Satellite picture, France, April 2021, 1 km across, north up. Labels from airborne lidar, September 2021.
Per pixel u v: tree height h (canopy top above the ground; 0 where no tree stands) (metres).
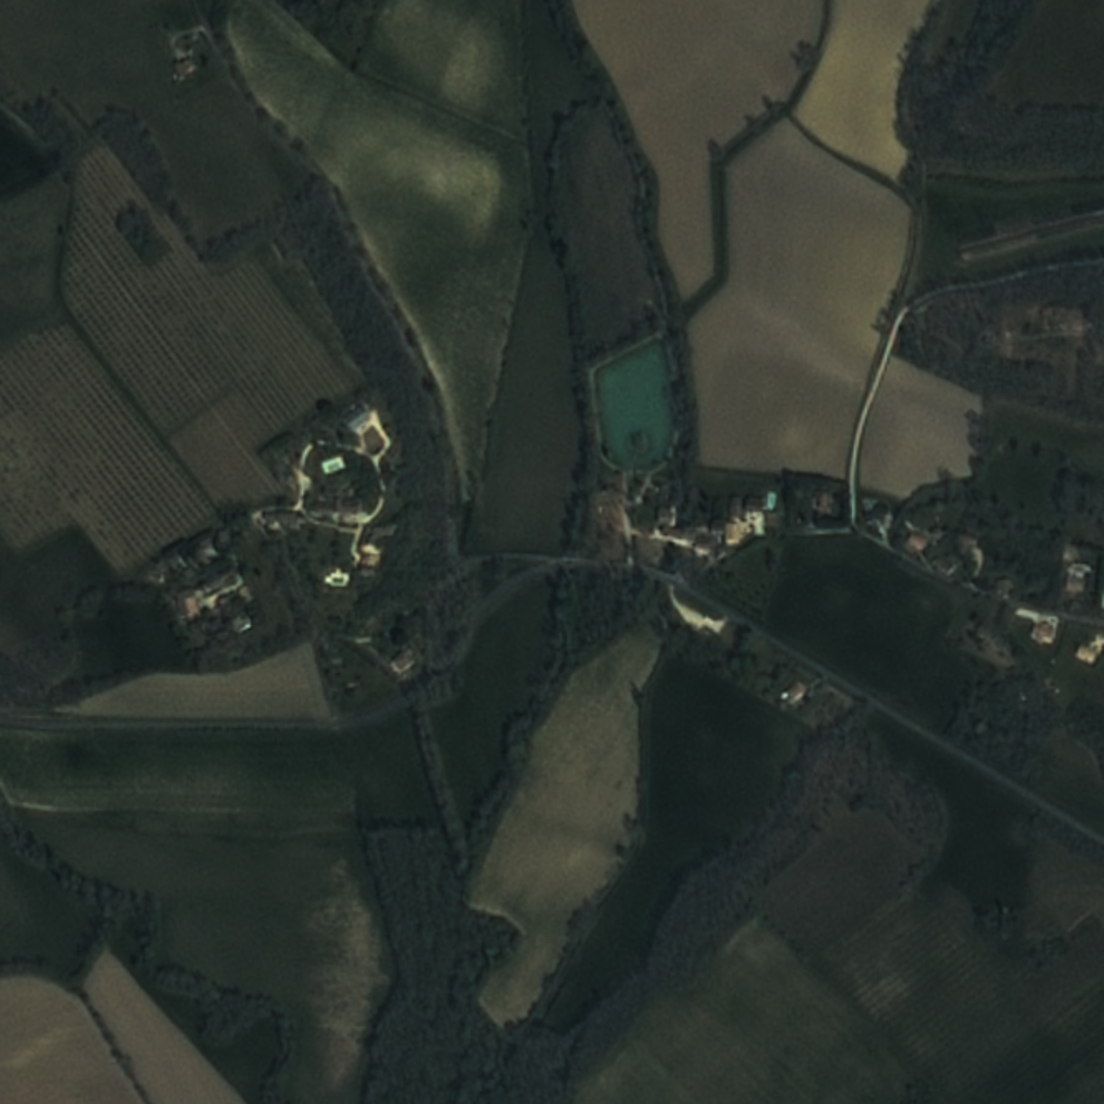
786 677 8
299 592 15
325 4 6
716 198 0
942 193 0
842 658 0
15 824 23
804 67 18
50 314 0
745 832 0
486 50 0
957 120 15
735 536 0
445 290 0
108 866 0
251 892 0
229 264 13
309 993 0
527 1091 23
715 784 0
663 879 0
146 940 11
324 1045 0
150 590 9
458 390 0
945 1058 0
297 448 8
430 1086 21
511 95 0
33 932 0
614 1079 0
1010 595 9
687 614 0
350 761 0
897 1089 0
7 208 0
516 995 0
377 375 15
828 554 0
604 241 0
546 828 0
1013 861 0
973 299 12
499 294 0
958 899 0
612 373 0
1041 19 0
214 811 0
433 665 0
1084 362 17
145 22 0
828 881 0
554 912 0
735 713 0
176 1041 0
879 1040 0
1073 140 24
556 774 0
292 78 0
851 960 0
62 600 0
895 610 0
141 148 12
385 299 23
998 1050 0
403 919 19
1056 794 0
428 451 21
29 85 0
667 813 0
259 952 0
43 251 0
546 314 0
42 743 0
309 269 7
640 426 0
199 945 0
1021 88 0
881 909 0
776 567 7
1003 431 0
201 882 0
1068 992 0
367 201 0
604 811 0
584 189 0
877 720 0
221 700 0
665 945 14
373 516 0
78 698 22
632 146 13
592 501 24
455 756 0
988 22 10
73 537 0
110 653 0
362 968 0
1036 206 0
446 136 0
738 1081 0
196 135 0
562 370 0
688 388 16
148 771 0
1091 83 0
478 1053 17
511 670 0
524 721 14
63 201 0
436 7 0
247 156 0
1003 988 0
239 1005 14
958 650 10
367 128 0
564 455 0
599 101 8
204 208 0
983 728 18
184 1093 0
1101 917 0
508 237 0
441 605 28
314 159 16
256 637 14
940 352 12
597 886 0
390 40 0
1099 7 0
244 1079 0
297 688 0
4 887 0
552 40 0
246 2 0
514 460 0
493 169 0
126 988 0
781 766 0
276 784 0
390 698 0
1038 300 13
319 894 0
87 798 0
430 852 21
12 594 0
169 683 0
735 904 11
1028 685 11
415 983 19
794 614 0
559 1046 17
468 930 18
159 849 0
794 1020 0
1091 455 0
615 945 0
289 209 10
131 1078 13
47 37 0
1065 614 9
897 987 0
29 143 0
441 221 0
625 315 0
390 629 7
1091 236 0
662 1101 0
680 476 7
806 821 8
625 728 0
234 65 17
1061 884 0
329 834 0
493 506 0
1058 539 12
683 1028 0
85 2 0
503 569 6
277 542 11
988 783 0
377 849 14
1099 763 10
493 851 0
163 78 0
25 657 9
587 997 0
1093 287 21
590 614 14
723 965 0
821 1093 0
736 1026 0
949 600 0
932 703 0
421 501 19
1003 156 16
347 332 9
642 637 0
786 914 0
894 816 6
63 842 0
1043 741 19
